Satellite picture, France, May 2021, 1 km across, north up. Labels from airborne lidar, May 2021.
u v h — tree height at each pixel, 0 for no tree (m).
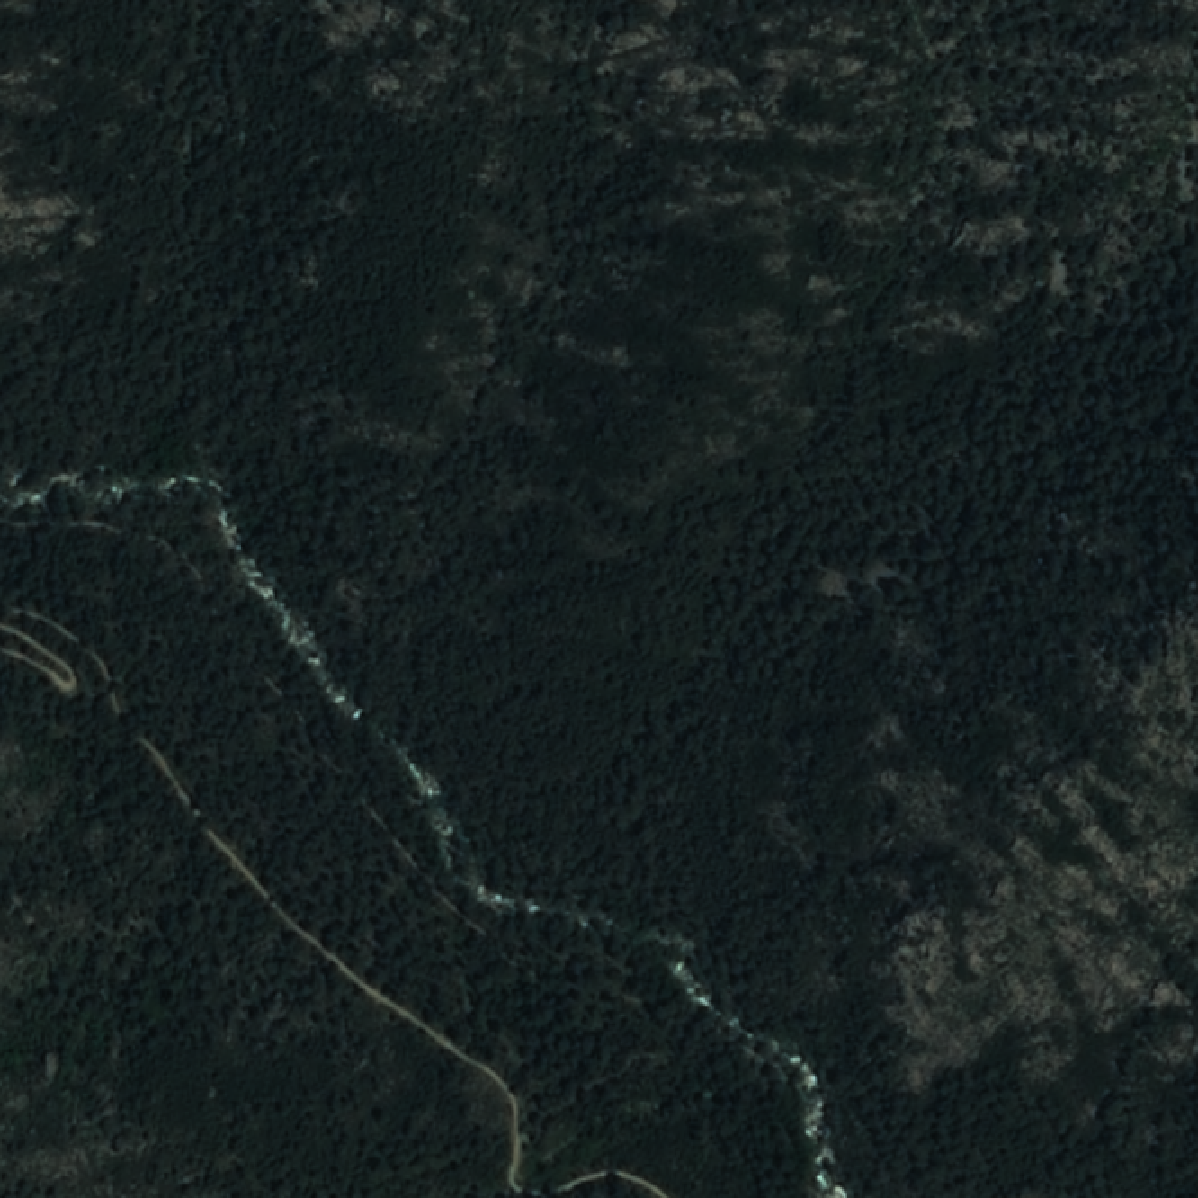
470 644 19
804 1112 26
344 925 21
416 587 17
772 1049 19
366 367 15
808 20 8
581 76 24
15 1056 17
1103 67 11
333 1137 21
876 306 9
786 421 6
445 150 15
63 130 16
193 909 22
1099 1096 7
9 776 9
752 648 13
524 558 14
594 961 28
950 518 25
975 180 6
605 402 12
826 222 6
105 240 13
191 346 23
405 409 13
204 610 18
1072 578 16
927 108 7
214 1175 17
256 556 22
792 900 17
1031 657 19
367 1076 9
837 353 7
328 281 14
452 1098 8
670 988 19
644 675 18
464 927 8
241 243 6
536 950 21
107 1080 7
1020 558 15
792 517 21
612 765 7
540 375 7
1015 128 13
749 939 30
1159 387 22
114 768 24
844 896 16
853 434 29
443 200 16
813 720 6
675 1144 6
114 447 26
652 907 29
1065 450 19
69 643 18
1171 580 6
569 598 20
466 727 18
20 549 21
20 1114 6
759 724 19
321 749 26
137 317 23
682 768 20
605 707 18
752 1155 19
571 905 29
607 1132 9
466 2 16
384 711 27
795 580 31
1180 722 6
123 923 20
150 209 13
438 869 29
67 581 20
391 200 18
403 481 13
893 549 22
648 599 17
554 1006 20
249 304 23
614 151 24
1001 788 14
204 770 12
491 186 10
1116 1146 30
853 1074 19
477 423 23
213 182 18
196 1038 18
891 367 15
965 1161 14
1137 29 10
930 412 16
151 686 28
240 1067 6
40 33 15
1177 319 11
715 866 18
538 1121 22
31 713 15
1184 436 16
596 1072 22
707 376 6
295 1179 18
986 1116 16
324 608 22
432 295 14
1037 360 16
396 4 16
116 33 17
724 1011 25
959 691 13
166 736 17
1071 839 6
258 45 9
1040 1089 6
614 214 13
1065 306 14
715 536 28
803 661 29
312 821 21
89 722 23
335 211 12
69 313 18
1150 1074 7
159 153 14
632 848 14
